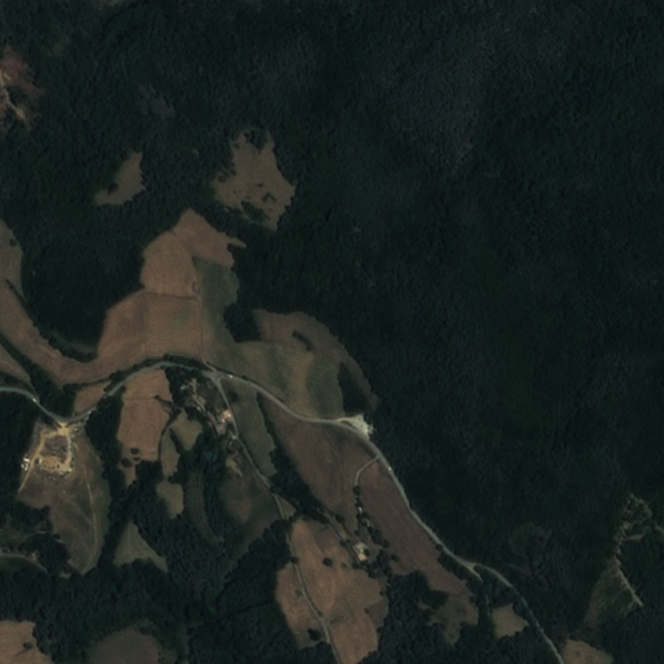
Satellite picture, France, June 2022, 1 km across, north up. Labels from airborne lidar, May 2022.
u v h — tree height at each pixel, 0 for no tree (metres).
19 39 11
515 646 17
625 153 15
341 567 0
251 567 19
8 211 10
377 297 15
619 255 18
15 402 15
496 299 21
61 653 13
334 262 15
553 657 11
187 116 19
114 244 18
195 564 10
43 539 8
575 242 15
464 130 14
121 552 0
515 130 9
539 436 16
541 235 14
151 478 14
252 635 21
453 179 17
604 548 19
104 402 13
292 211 14
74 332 12
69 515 0
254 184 0
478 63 15
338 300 12
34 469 0
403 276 19
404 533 0
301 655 19
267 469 0
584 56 21
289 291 18
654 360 18
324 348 0
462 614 0
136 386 0
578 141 19
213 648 21
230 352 0
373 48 10
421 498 11
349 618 0
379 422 16
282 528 11
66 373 0
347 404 7
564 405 20
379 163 10
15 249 0
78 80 19
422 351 24
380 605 0
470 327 17
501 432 13
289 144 16
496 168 14
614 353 22
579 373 24
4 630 0
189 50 13
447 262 14
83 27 6
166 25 19
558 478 17
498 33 11
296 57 16
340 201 21
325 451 0
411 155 19
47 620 21
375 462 0
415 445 15
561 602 10
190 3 14
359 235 12
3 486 16
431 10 19
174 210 12
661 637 18
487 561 10
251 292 9
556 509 13
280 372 0
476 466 7
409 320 23
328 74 15
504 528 15
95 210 20
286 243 17
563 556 15
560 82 16
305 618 0
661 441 20
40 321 8
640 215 14
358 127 8
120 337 0
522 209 15
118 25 34
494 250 19
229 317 11
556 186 18
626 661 17
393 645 14
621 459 19
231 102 18
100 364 0
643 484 18
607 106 21
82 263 15
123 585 25
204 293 0
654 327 29
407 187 13
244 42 15
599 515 19
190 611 26
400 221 18
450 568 13
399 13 12
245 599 17
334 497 0
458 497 8
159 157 17
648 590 23
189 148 15
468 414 19
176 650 8
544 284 16
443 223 22
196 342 0
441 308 21
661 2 9
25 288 6
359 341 16
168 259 0
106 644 0
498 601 16
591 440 22
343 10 12
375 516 0
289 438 0
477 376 17
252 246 12
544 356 19
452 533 6
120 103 15
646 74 18
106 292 10
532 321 21
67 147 16
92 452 0
